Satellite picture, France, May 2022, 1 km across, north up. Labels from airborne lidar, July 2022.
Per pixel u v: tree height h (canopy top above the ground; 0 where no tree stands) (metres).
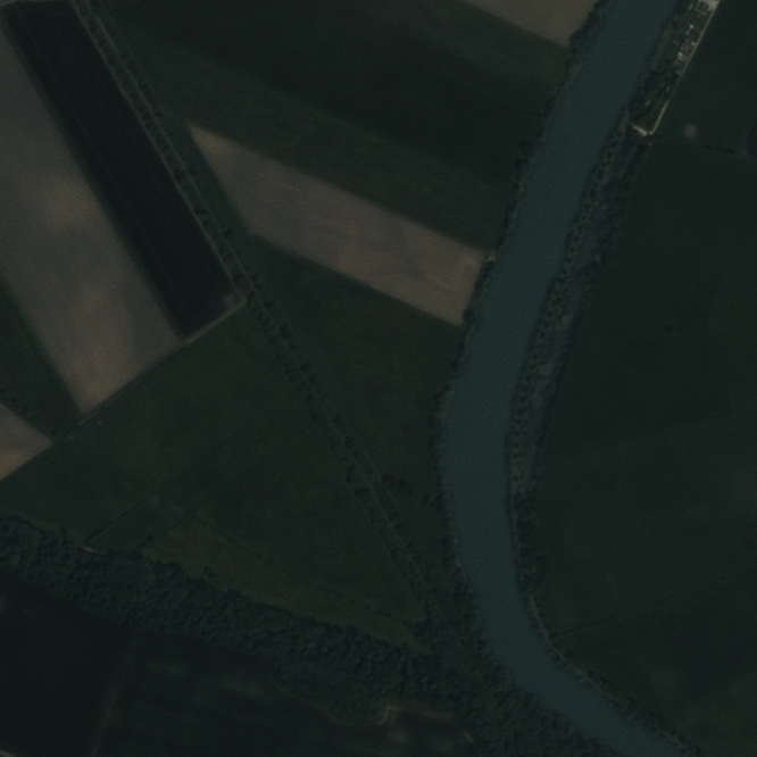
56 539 22
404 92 0
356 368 0
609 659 0
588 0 0
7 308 0
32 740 0
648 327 0
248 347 0
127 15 0
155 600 20
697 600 0
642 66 0
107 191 0
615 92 0
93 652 0
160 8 0
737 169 0
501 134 0
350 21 0
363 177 0
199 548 0
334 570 0
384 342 0
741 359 0
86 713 0
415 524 0
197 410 0
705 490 0
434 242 0
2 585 0
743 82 0
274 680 0
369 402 0
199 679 0
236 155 0
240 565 0
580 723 0
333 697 18
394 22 0
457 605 22
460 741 0
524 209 0
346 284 0
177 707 0
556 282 10
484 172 0
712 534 0
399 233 0
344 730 0
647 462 0
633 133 18
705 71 0
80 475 0
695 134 0
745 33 0
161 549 0
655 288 0
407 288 0
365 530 0
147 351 0
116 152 0
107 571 25
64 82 0
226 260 15
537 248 0
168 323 0
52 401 0
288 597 0
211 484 0
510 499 13
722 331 0
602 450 0
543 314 12
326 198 0
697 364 0
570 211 0
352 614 0
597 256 15
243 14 0
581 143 0
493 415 0
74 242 0
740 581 0
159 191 0
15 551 27
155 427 0
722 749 0
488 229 0
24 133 0
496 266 12
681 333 0
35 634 0
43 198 0
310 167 0
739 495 0
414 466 0
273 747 0
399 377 0
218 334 0
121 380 0
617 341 0
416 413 0
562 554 0
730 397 0
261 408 0
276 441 0
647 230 0
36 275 0
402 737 0
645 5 0
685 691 0
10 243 0
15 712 0
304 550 0
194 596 28
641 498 0
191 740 0
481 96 0
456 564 13
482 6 0
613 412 0
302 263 0
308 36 0
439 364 0
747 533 0
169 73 0
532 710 24
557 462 0
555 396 17
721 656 0
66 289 0
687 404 0
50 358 0
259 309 17
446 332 0
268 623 20
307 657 9
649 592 0
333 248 0
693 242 0
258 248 0
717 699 0
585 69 0
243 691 0
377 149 0
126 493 0
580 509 0
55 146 0
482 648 18
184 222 0
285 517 0
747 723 0
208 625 14
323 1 0
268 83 0
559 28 0
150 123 12
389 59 0
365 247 0
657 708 0
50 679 0
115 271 0
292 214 0
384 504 14
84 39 0
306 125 0
